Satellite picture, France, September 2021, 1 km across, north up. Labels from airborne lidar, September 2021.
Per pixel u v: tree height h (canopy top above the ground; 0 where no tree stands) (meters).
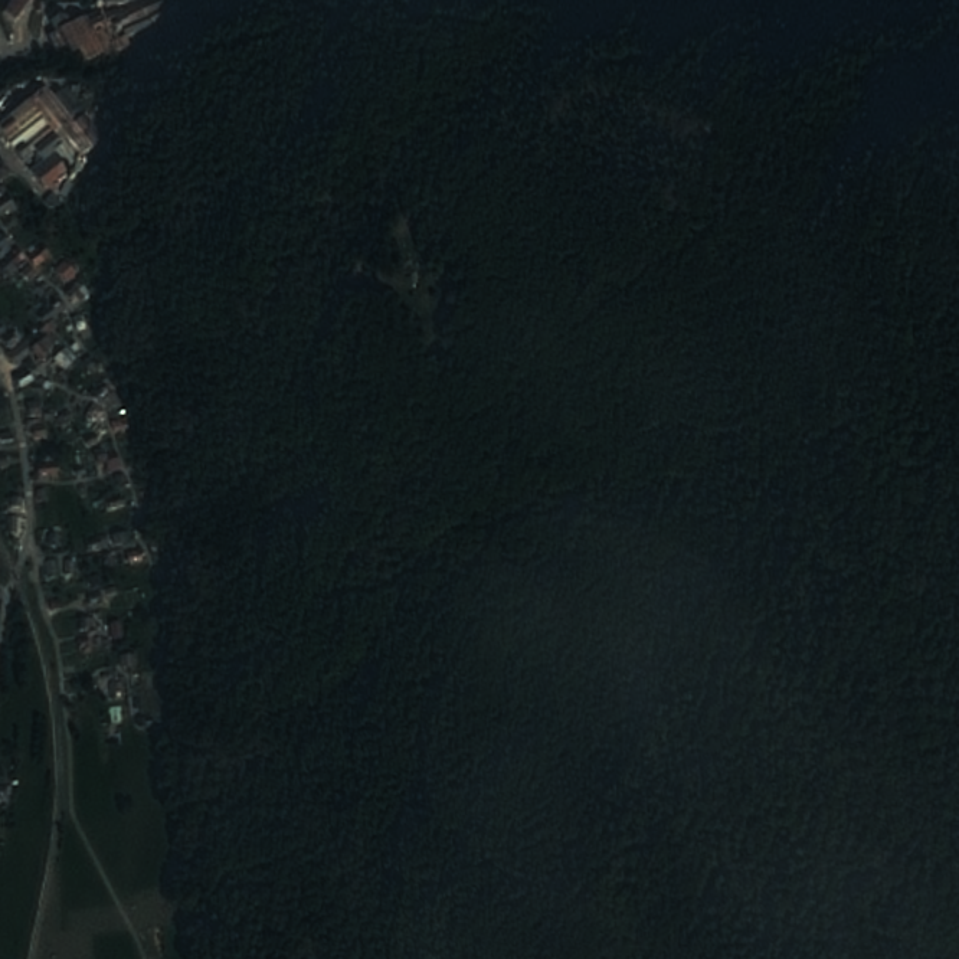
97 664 0
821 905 28
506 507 21
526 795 21
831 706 20
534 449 16
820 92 21
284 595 20
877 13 15
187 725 22
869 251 24
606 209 20
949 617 27
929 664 23
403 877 22
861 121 18
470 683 20
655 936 22
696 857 18
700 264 20
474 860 13
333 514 17
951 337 19
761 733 28
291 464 19
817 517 21
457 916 12
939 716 27
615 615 23
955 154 20
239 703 14
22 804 0
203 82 23
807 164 23
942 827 15
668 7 19
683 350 19
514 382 17
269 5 22
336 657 9
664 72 22
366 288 11
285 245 18
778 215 22
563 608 23
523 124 14
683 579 17
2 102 0
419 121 23
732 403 20
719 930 25
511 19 13
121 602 0
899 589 28
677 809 25
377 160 19
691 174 14
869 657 22
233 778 21
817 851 23
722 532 25
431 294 8
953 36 23
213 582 22
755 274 22
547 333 19
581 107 19
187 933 23
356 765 24
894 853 16
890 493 27
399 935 14
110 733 0
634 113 16
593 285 18
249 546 14
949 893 24
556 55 9
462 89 26
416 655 16
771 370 18
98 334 19
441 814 22
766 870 24
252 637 10
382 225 21
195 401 13
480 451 15
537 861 25
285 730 21
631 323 14
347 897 20
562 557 15
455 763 19
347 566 21
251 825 13
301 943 24
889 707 24
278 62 24
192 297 13
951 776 23
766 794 24
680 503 21
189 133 24
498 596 18
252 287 21
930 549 27
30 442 0
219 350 24
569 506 14
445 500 14
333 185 15
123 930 0
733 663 26
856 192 18
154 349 24
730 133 24
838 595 18
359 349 22
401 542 19
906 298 22
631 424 22
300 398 19
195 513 26
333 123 13
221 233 17
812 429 24
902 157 17
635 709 22
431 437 21
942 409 18
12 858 0
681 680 20
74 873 0
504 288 21
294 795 17
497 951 23
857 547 19
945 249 22
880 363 25
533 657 19
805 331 21
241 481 13
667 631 22
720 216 25
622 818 25
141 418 23
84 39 0
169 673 25
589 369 17
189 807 31
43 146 0
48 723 9
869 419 28
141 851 0
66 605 0
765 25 21
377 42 18
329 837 17
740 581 22
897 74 21
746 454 18
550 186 20
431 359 19
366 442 18
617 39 15
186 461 22
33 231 8
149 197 25
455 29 10
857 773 24
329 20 18
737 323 21
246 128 24
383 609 13
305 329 18
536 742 21
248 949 22
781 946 19
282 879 20
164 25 10
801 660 27
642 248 13
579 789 23
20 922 0
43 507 6
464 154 15
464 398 19
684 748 15
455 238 23
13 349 0
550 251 20
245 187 18
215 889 18
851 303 22
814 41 21
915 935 28
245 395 21
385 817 24
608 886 12
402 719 22
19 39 0
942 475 23
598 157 21
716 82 10
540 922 23
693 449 17
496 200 18
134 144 24
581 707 22
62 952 0
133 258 23
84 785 0
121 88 12
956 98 24
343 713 16
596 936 18
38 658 0
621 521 17
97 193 16
